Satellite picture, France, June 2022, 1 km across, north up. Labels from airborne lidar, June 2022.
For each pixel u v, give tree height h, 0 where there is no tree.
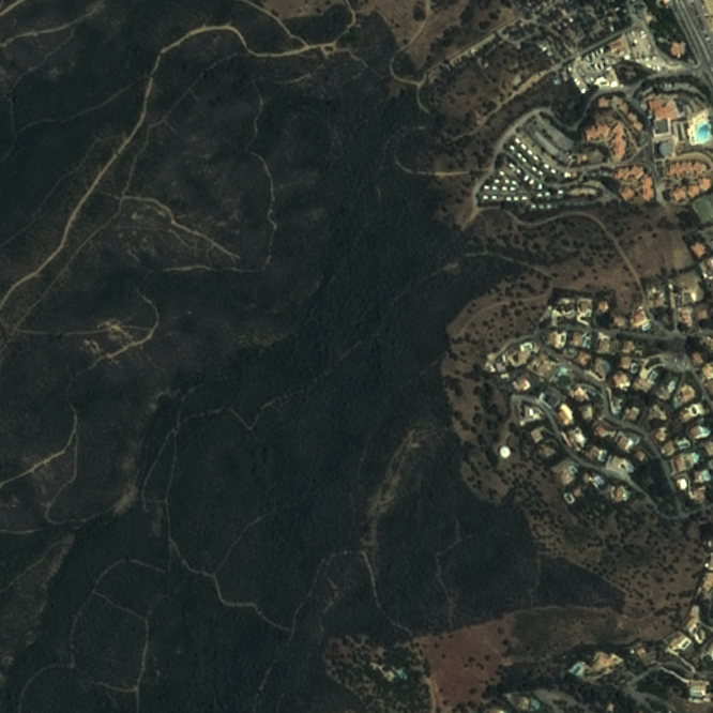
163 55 6
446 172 0
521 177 6
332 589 6
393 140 7
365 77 6
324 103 6
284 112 7
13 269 0
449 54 0
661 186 0
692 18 0
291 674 9
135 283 7
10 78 0
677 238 0
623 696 10
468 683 0
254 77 8
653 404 11
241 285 6
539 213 8
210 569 7
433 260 9
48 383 7
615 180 8
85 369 6
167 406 8
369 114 13
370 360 8
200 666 11
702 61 0
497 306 0
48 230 0
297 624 6
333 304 9
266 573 6
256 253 0
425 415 6
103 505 7
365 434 8
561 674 10
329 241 7
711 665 8
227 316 0
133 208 0
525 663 7
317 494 7
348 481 7
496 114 6
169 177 0
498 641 0
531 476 6
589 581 6
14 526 0
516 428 8
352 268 6
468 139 7
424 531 6
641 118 8
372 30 0
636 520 10
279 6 0
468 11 8
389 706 6
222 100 10
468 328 0
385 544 6
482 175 7
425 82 0
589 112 9
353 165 14
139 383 6
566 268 0
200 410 6
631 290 0
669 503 9
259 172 0
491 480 0
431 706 8
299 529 7
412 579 11
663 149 0
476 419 10
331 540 10
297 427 5
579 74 0
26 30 0
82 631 7
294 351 8
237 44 6
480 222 0
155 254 0
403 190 8
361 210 8
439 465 8
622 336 9
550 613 0
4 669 11
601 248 9
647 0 9
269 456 8
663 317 12
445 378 7
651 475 7
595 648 10
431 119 8
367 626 8
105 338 0
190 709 7
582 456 6
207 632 8
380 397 8
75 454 0
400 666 7
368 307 8
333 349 7
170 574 11
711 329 12
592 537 7
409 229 14
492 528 8
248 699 9
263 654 9
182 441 5
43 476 0
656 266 0
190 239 0
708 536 13
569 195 6
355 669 7
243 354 7
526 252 6
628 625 0
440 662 0
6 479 7
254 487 5
